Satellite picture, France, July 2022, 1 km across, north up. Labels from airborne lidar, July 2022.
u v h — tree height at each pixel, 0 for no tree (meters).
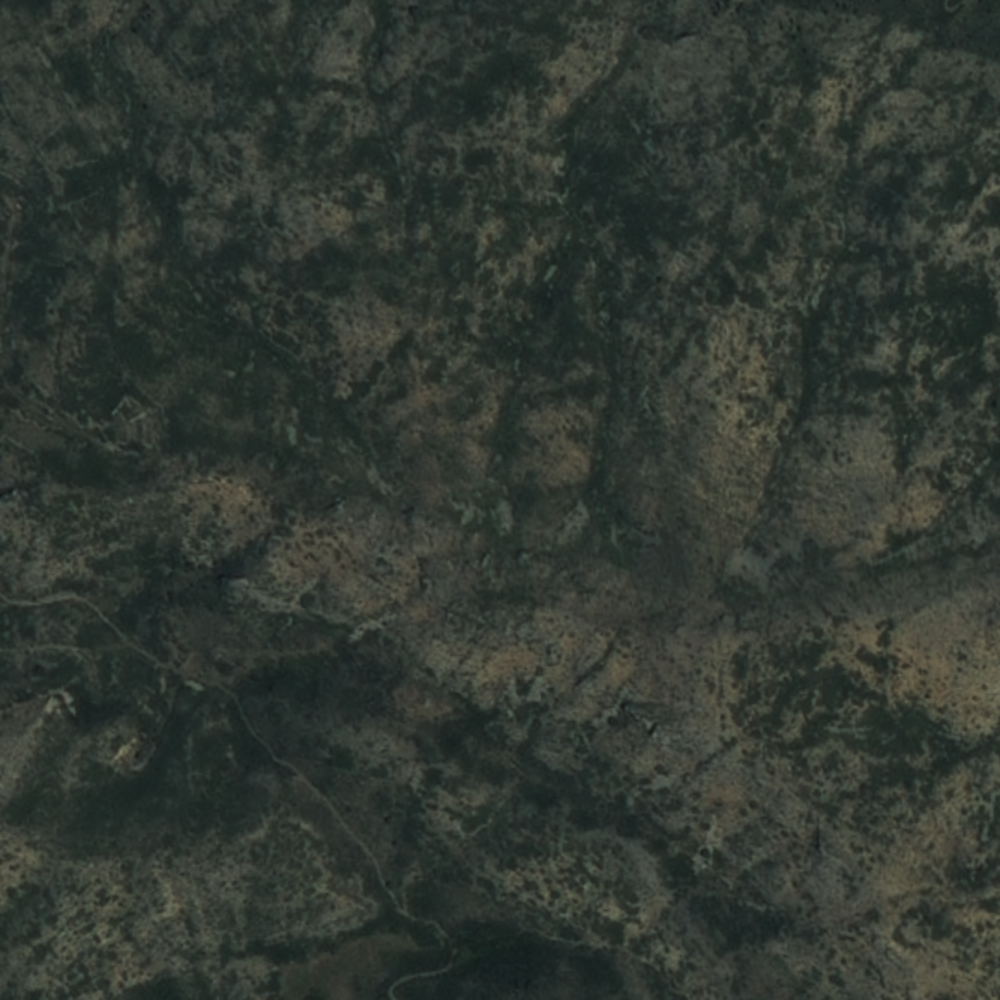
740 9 7
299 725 0
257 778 0
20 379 0
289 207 0
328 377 0
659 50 0
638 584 0
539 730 0
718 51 0
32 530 0
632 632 0
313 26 0
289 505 0
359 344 0
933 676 0
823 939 0
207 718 0
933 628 0
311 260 0
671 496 0
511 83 0
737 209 0
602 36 0
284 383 0
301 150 0
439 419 0
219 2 0
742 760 0
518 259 0
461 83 0
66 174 0
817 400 0
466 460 0
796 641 0
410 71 0
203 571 8
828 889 0
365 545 0
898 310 0
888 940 0
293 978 0
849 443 0
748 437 0
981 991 0
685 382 0
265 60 0
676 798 0
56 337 0
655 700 0
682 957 0
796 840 0
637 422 0
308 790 0
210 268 0
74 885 0
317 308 0
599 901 0
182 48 0
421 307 0
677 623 0
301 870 0
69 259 0
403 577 0
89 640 0
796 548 0
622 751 0
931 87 0
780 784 0
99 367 0
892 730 0
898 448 0
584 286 0
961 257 0
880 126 0
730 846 0
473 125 0
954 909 0
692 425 0
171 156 0
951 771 0
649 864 0
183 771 0
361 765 0
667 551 0
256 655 0
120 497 0
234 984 0
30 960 0
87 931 0
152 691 0
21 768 0
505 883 0
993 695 0
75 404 0
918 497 0
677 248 0
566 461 0
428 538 0
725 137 0
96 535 0
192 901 0
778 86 0
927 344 0
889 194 0
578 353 0
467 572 0
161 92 0
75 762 0
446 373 0
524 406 0
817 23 0
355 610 0
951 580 0
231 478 0
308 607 0
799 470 0
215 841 0
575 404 0
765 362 0
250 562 0
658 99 0
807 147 0
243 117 0
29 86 0
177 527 0
